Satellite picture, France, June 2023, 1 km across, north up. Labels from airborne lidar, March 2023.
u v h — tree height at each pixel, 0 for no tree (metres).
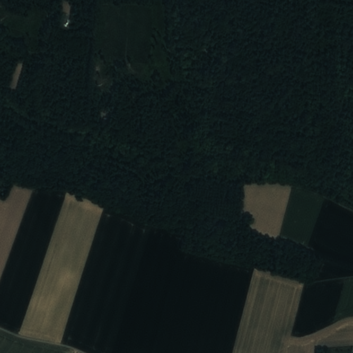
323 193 10
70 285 0
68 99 14
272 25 24
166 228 10
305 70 23
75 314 0
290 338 0
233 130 21
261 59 20
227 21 29
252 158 18
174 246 0
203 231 30
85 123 23
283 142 24
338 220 0
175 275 0
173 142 36
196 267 0
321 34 26
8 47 24
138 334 0
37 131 27
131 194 27
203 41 25
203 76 28
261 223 0
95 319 0
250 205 0
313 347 0
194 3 19
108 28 0
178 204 25
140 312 0
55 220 0
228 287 0
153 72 0
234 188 32
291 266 27
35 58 25
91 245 0
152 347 0
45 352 0
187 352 0
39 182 22
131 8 0
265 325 0
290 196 0
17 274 0
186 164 28
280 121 25
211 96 24
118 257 0
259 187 0
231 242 30
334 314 0
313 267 23
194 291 0
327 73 23
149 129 23
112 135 17
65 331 0
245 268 0
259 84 26
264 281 0
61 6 18
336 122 18
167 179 27
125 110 14
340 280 0
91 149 29
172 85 31
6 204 0
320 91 23
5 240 0
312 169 21
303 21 25
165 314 0
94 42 32
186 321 0
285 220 0
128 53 0
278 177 24
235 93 24
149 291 0
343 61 16
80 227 0
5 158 30
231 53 24
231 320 0
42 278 0
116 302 0
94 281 0
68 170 29
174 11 30
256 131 26
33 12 0
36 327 0
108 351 0
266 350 0
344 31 19
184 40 22
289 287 0
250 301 0
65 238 0
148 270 0
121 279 0
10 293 0
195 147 19
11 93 19
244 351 0
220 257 24
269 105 30
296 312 0
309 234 0
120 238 0
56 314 0
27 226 0
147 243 0
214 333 0
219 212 34
